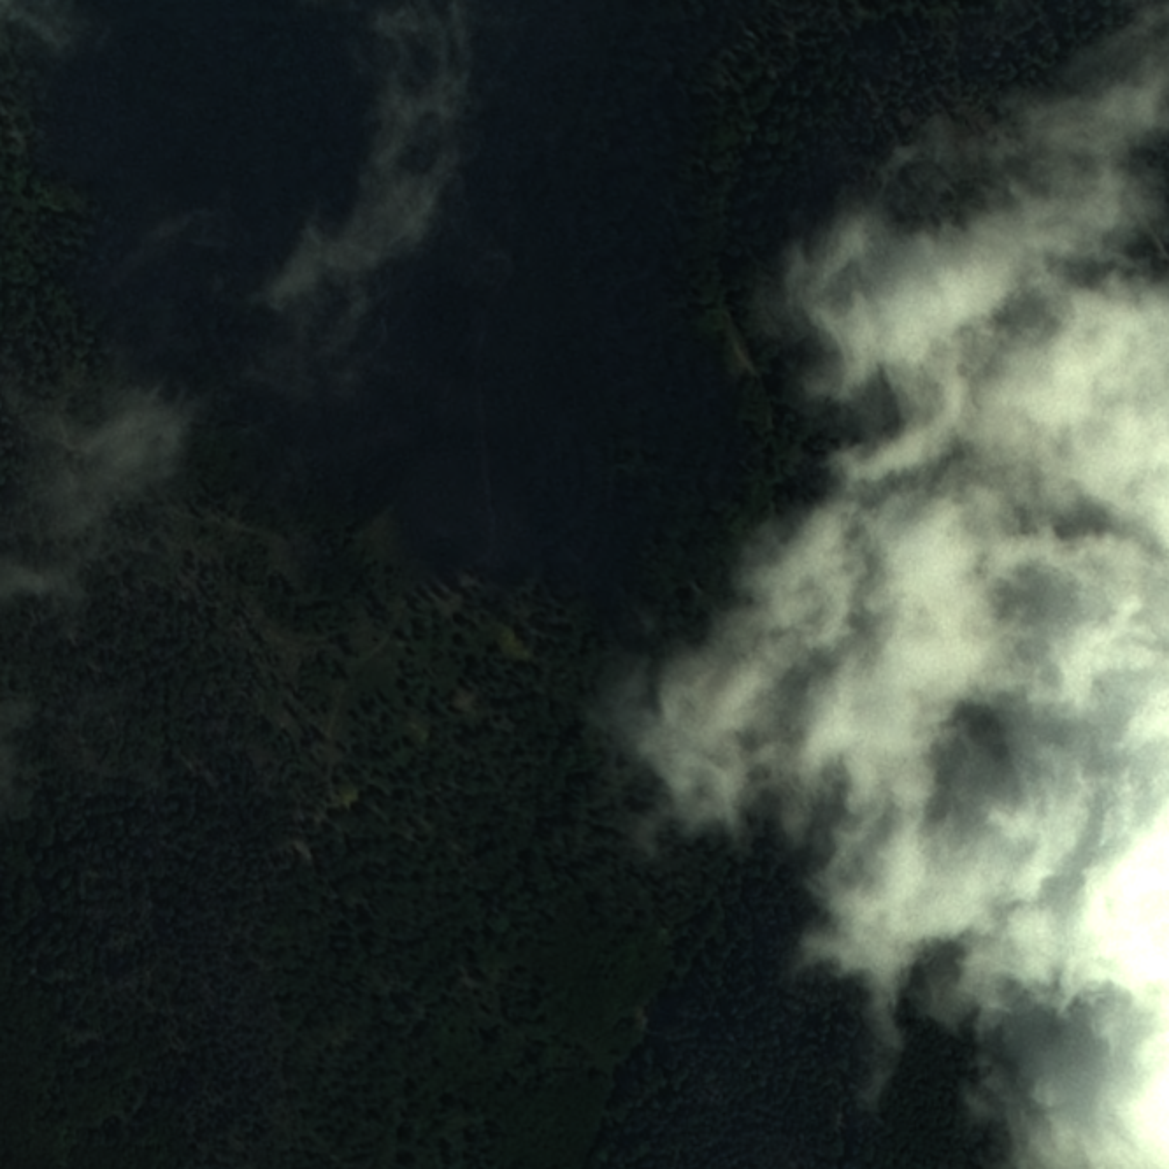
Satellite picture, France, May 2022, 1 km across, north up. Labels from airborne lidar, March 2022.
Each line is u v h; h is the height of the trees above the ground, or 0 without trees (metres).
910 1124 26
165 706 15
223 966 15
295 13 39
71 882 14
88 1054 15
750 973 10
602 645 27
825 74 35
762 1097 12
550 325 0
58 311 36
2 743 31
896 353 23
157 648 14
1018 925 26
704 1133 25
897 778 31
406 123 28
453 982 21
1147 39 27
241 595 0
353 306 38
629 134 37
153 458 15
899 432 31
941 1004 27
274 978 9
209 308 40
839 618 37
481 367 0
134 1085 16
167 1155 19
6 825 31
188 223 35
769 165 33
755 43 39
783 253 23
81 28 37
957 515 26
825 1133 25
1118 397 31
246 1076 16
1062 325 32
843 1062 18
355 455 0
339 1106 25
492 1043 19
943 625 30
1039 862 34
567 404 24
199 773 7
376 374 32
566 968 19
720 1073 24
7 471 15
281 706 0
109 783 12
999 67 30
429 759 14
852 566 39
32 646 10
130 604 15
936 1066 24
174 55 36
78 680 19
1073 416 33
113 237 36
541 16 31
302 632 7
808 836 32
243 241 37
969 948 29
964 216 6
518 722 32
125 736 17
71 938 8
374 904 28
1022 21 35
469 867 30
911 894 31
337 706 0
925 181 31
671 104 33
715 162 35
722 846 27
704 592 42
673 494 28
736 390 14
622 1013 12
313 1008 18
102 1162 26
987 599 25
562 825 40
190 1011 18
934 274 21
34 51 34
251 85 22
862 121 33
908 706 29
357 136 9
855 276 7
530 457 29
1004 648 25
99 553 12
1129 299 29
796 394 36
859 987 26
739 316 34
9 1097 21
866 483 39
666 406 30
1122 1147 0
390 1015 33
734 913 28
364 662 0
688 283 11
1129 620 26
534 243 0
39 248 40
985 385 32
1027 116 0
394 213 29
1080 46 30
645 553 21
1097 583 29
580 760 39
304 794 17
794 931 31
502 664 24
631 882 37
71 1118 20
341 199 31
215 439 0
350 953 31
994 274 15
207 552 0
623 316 26
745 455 35
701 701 37
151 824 27
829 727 25
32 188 17
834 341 11
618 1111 31
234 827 21
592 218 31
